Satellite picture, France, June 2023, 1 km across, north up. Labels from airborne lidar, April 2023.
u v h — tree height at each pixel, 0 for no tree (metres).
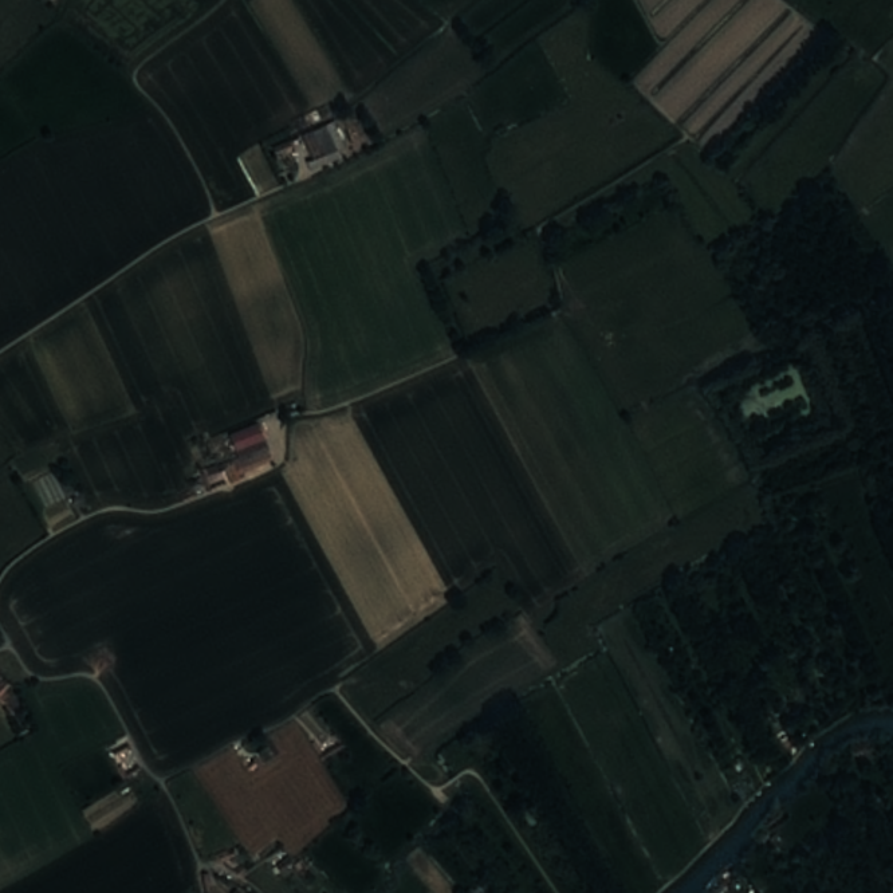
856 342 18
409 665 0
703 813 0
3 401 0
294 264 0
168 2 0
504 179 0
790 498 11
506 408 0
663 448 0
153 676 0
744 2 0
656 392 0
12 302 0
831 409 17
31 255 0
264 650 0
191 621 0
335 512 0
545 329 0
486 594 0
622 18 0
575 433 0
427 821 0
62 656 0
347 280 0
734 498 0
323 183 0
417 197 0
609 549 0
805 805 0
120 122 0
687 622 27
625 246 0
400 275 0
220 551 0
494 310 0
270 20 0
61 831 0
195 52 0
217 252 0
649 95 0
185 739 0
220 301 0
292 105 0
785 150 0
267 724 0
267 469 0
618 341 0
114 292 0
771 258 27
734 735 0
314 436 0
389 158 0
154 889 0
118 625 0
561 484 0
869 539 0
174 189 0
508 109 0
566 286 0
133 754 0
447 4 0
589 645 0
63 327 0
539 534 0
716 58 0
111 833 0
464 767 0
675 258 0
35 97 0
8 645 0
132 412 0
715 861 0
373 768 0
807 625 15
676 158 0
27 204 0
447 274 12
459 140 0
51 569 0
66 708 0
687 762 0
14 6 0
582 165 0
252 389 0
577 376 0
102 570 0
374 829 0
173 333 0
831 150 0
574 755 0
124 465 0
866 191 0
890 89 0
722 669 8
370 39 0
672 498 0
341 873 0
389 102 0
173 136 0
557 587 0
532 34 0
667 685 0
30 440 0
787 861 6
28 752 0
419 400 0
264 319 0
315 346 0
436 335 0
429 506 0
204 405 0
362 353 0
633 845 0
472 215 0
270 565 0
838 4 0
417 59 0
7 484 0
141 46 0
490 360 0
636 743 0
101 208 0
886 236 0
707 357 0
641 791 0
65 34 0
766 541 8
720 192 0
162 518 0
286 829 0
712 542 0
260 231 0
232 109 0
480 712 0
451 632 0
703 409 0
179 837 0
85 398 0
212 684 0
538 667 0
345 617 0
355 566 0
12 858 0
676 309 0
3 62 0
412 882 0
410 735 0
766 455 19
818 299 29
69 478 16
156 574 0
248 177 0
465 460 0
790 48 0
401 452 0
